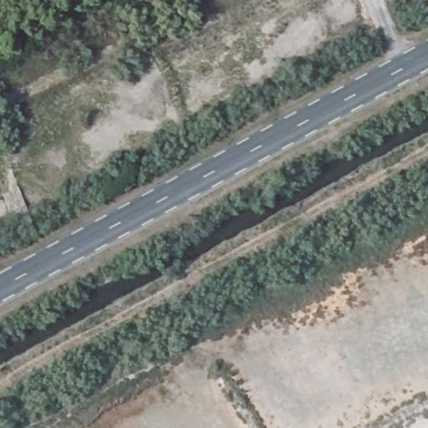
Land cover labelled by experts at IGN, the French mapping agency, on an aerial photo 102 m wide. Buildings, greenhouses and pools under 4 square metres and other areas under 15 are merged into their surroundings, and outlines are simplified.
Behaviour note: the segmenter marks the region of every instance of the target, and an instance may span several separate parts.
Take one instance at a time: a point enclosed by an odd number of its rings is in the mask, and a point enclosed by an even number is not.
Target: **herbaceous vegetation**
[[[134,191],[117,197],[109,206],[105,204],[90,212],[77,211],[77,219],[53,231],[50,236],[38,239],[33,246],[23,247],[10,256],[0,257],[0,274],[7,273],[17,262],[27,261],[38,251],[59,244],[64,237],[77,234],[90,222],[100,221],[109,212],[129,206],[135,197],[147,196],[155,187],[176,181],[181,174],[194,171],[207,159],[224,154],[232,145],[246,142],[256,132],[271,129],[274,122],[288,119],[301,107],[316,104],[323,95],[338,92],[351,80],[363,79],[369,70],[378,69],[383,65],[378,59],[361,65],[361,69],[356,72],[336,75],[333,82],[326,87],[267,110],[254,122],[249,122],[244,129],[232,132],[224,142],[214,142],[207,149],[199,149],[196,155],[191,155],[186,166],[174,169],[166,176],[155,177],[149,186],[137,187]]]
[[[57,40],[43,35],[42,40],[27,37],[25,47],[18,57],[10,55],[10,59],[0,59],[0,70],[7,72],[7,77],[15,85],[15,89],[20,90],[28,85],[35,82],[38,77],[52,74],[55,69],[65,70],[65,80],[48,87],[40,94],[30,95],[28,105],[32,109],[32,117],[27,145],[18,154],[12,154],[20,142],[7,145],[0,135],[0,201],[3,201],[3,192],[7,192],[8,189],[7,171],[10,169],[20,189],[25,189],[30,202],[40,202],[42,199],[53,201],[59,197],[59,187],[64,184],[67,177],[94,172],[87,164],[90,147],[82,140],[82,134],[95,124],[95,120],[105,119],[110,114],[110,102],[117,102],[114,87],[120,80],[112,70],[104,70],[100,62],[84,67],[67,62],[69,53],[74,52],[75,48],[72,40],[79,40],[72,27],[64,27]],[[47,164],[45,152],[50,149],[65,149],[64,167]]]
[[[130,304],[157,293],[159,289],[166,288],[167,284],[174,281],[171,276],[160,276],[134,289],[132,293],[115,299],[114,303],[105,306],[104,309],[99,309],[77,323],[70,324],[69,328],[62,329],[59,333],[53,334],[52,338],[35,344],[25,353],[17,354],[12,359],[0,363],[0,378],[10,369],[18,368],[28,359],[37,358],[38,354],[57,346],[74,334],[84,333],[95,324],[102,323],[104,319],[112,318]]]
[[[167,38],[167,42],[152,50],[152,69],[159,69],[160,74],[166,77],[172,107],[176,107],[181,120],[189,117],[192,112],[187,107],[189,82],[202,80],[204,75],[212,72],[212,60],[216,59],[217,53],[227,52],[226,60],[219,64],[219,69],[224,70],[226,75],[221,85],[221,94],[214,95],[211,102],[217,104],[221,100],[231,99],[236,85],[252,84],[244,65],[251,64],[252,60],[266,64],[264,50],[274,45],[276,38],[288,30],[296,18],[306,20],[309,13],[313,12],[319,20],[326,23],[326,40],[348,37],[349,33],[356,30],[356,25],[364,23],[361,0],[349,0],[354,7],[354,20],[341,23],[336,18],[329,17],[328,10],[324,8],[328,0],[199,0],[197,13],[201,15],[202,22],[206,22],[204,33],[189,32],[186,37],[176,37],[172,40]]]
[[[418,135],[406,144],[398,145],[371,162],[366,162],[358,171],[349,172],[339,181],[331,182],[318,192],[314,192],[313,196],[306,197],[294,206],[284,207],[273,216],[267,217],[266,221],[239,232],[237,236],[222,241],[212,249],[217,256],[227,254],[234,247],[247,242],[249,237],[271,229],[278,222],[283,222],[279,236],[284,237],[284,241],[294,244],[296,236],[303,234],[306,224],[299,219],[299,214],[308,207],[318,204],[344,187],[364,181],[366,177],[385,169],[386,166],[393,166],[408,152],[428,142],[428,132]]]
[[[323,150],[326,142],[338,140],[339,135],[359,122],[386,112],[396,102],[428,87],[428,69],[421,70],[413,79],[403,80],[395,89],[381,92],[368,104],[354,107],[349,114],[334,117],[329,120],[328,125],[311,130],[303,139],[283,145],[278,152],[257,160],[256,166],[241,169],[227,181],[212,184],[211,189],[194,194],[181,206],[171,207],[162,216],[142,222],[142,226],[134,231],[120,234],[110,244],[95,247],[95,251],[87,256],[77,257],[69,266],[55,269],[42,281],[28,284],[20,293],[10,294],[0,301],[0,319],[20,308],[22,304],[37,299],[40,294],[55,291],[60,284],[74,283],[77,278],[95,273],[97,267],[107,264],[115,254],[124,251],[125,247],[137,246],[139,242],[147,241],[152,234],[166,232],[167,229],[179,226],[181,222],[186,221],[189,214],[199,214],[206,207],[216,206],[222,197],[251,184],[261,172],[279,169],[284,162],[291,162],[301,154],[314,154]]]

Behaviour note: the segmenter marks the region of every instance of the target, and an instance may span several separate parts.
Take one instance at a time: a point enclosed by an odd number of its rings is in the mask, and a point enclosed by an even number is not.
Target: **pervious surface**
[[[117,102],[110,102],[110,114],[105,119],[95,120],[95,124],[82,134],[82,140],[90,147],[87,164],[94,172],[99,171],[104,160],[112,152],[124,149],[129,142],[127,135],[134,132],[155,132],[160,129],[162,122],[181,120],[176,107],[172,107],[166,77],[160,74],[159,69],[152,69],[137,84],[120,80],[114,87]]]
[[[378,28],[376,33],[380,35],[381,45],[386,52],[378,59],[383,65],[390,64],[400,53],[411,52],[415,45],[411,40],[406,40],[405,35],[396,32],[385,0],[361,0],[364,23]]]
[[[65,70],[55,69],[52,74],[38,77],[35,82],[28,85],[30,95],[40,94],[48,87],[65,80]]]
[[[262,249],[267,242],[278,239],[279,236],[283,222],[278,222],[271,229],[249,237],[247,242],[234,247],[227,254],[217,256],[212,249],[189,266],[186,278],[174,281],[167,284],[166,288],[159,289],[157,293],[130,304],[112,318],[104,319],[102,323],[95,324],[84,333],[74,334],[57,346],[38,354],[37,358],[28,359],[18,368],[10,369],[0,378],[0,395],[5,393],[8,386],[17,383],[22,376],[32,374],[33,369],[42,368],[43,364],[52,364],[53,359],[64,356],[65,351],[89,343],[99,334],[114,331],[115,326],[127,323],[135,314],[145,318],[145,311],[150,306],[166,303],[172,294],[187,293],[192,284],[199,283],[206,274],[216,273],[237,257]]]
[[[324,8],[328,10],[329,17],[336,18],[341,23],[354,20],[354,7],[349,0],[328,0]]]
[[[378,186],[380,182],[391,179],[396,172],[418,166],[421,160],[428,157],[428,142],[408,152],[393,166],[386,166],[385,169],[366,177],[364,181],[344,187],[318,204],[308,207],[299,214],[299,219],[306,224],[329,209],[334,209],[338,204],[344,206],[349,199],[356,197],[358,192],[366,192],[371,187]]]
[[[50,149],[45,152],[47,164],[64,167],[65,149]]]
[[[288,30],[276,38],[274,45],[264,50],[266,64],[252,60],[251,64],[244,65],[252,84],[271,77],[283,57],[303,57],[313,53],[326,40],[326,23],[319,20],[313,12],[309,13],[306,20],[296,18]]]
[[[3,192],[3,201],[0,201],[0,217],[5,216],[7,212],[27,211],[20,189],[10,169],[7,171],[8,189],[7,192]]]
[[[247,428],[246,423],[237,418],[231,401],[222,393],[226,381],[222,380],[221,374],[217,371],[217,359],[224,359],[226,363],[232,364],[232,368],[239,369],[244,380],[242,388],[246,390],[247,396],[251,398],[252,405],[256,406],[267,428],[353,428],[373,423],[378,416],[391,411],[393,406],[400,405],[401,401],[410,400],[411,396],[421,391],[428,391],[428,252],[425,256],[415,256],[413,247],[426,239],[425,236],[418,236],[405,242],[403,249],[398,252],[398,261],[390,259],[391,267],[358,267],[353,273],[344,273],[343,283],[338,288],[333,288],[331,296],[324,301],[314,301],[301,311],[293,313],[294,323],[289,324],[288,334],[284,334],[283,329],[274,328],[271,323],[264,324],[261,329],[252,324],[249,334],[236,329],[232,336],[224,336],[217,341],[207,339],[192,346],[191,351],[184,354],[182,363],[174,368],[174,381],[167,383],[164,380],[164,388],[169,390],[167,395],[160,396],[159,391],[154,388],[144,391],[132,400],[137,408],[144,410],[144,413],[124,420],[114,428]],[[331,326],[318,324],[316,309],[321,304],[329,311],[341,309],[343,318]]]
[[[221,85],[226,75],[224,70],[219,69],[219,64],[226,60],[227,52],[217,53],[216,59],[212,60],[212,72],[204,75],[202,80],[189,82],[187,107],[192,112],[201,109],[202,104],[211,102],[214,95],[221,94]]]

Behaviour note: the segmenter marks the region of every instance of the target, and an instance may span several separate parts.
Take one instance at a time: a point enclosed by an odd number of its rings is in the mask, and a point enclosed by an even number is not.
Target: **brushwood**
[[[232,364],[226,363],[224,359],[217,359],[217,371],[221,374],[222,380],[226,381],[222,393],[231,401],[237,418],[246,423],[247,428],[267,428],[256,406],[252,405],[251,398],[247,396],[246,390],[242,388],[244,380],[239,369],[232,368]]]
[[[428,42],[428,0],[385,0],[396,32],[405,35],[406,40],[411,40],[415,45]]]
[[[371,187],[366,192],[358,192],[356,197],[349,199],[344,206],[338,204],[334,209],[329,209],[306,224],[303,234],[296,236],[294,244],[284,241],[284,237],[279,236],[278,239],[267,242],[262,249],[237,257],[216,273],[206,274],[199,283],[192,284],[187,293],[172,294],[166,303],[150,306],[145,311],[145,318],[135,314],[127,323],[115,326],[114,331],[99,334],[89,343],[65,351],[64,356],[53,359],[52,364],[43,364],[42,368],[33,369],[32,374],[22,376],[17,383],[8,386],[5,393],[0,395],[0,428],[114,428],[124,420],[144,413],[144,410],[137,408],[132,400],[144,391],[154,388],[159,391],[160,396],[167,395],[169,390],[164,388],[164,380],[167,383],[174,381],[174,368],[182,363],[184,354],[191,351],[192,346],[207,339],[217,341],[224,336],[232,336],[236,329],[249,334],[252,324],[261,329],[264,324],[271,323],[274,328],[283,329],[284,334],[288,334],[289,324],[294,323],[293,313],[301,311],[314,301],[324,301],[331,296],[333,288],[338,288],[343,283],[344,273],[353,273],[358,267],[391,267],[390,259],[398,261],[398,252],[403,249],[405,242],[418,236],[425,236],[426,239],[413,247],[415,256],[425,256],[428,252],[428,157],[421,160],[418,166],[396,172],[391,179],[380,182],[378,186]]]
[[[391,130],[406,129],[410,127],[411,122],[418,124],[428,117],[428,87],[396,102],[386,112],[359,122],[339,135],[338,140],[326,142],[323,150],[314,154],[301,154],[291,162],[284,162],[279,169],[261,172],[251,184],[222,197],[216,206],[206,207],[199,214],[189,214],[186,221],[181,222],[179,226],[167,229],[166,232],[152,234],[147,241],[139,242],[137,246],[125,247],[124,251],[115,254],[107,264],[97,267],[95,273],[77,278],[74,283],[60,284],[55,291],[40,294],[37,299],[22,304],[20,308],[0,319],[0,348],[7,346],[8,336],[23,336],[25,328],[43,329],[47,324],[53,323],[62,313],[64,303],[69,304],[70,308],[80,308],[82,301],[89,298],[89,291],[92,288],[99,288],[117,279],[125,279],[129,273],[149,273],[150,267],[157,267],[160,276],[171,276],[174,281],[186,278],[189,266],[187,262],[181,262],[184,247],[187,244],[197,244],[201,237],[206,237],[224,214],[234,216],[239,209],[257,212],[262,206],[271,207],[276,194],[291,196],[298,187],[306,186],[308,182],[313,181],[314,177],[318,176],[316,164],[319,160],[339,157],[351,159],[351,155],[363,154],[364,150],[371,149],[373,144],[381,144],[383,137],[390,134]]]
[[[353,428],[428,428],[428,391],[421,391],[411,396],[410,400],[401,401],[400,405],[393,406],[391,411],[378,416],[373,423]]]
[[[181,120],[162,122],[160,129],[155,132],[134,132],[127,135],[129,142],[124,149],[112,152],[104,160],[99,171],[94,172],[67,177],[64,184],[59,187],[59,197],[53,201],[42,199],[40,202],[30,202],[25,189],[20,189],[27,211],[7,212],[5,216],[0,217],[0,257],[10,256],[23,247],[33,246],[38,239],[50,236],[53,231],[77,219],[77,211],[90,212],[105,204],[109,206],[117,197],[134,191],[137,187],[149,186],[155,177],[166,176],[174,169],[186,166],[191,155],[196,155],[199,149],[207,149],[214,142],[224,142],[232,132],[244,129],[249,122],[254,122],[267,110],[326,87],[333,82],[336,75],[356,72],[361,69],[361,65],[378,59],[386,52],[381,45],[380,35],[376,33],[378,28],[364,23],[356,25],[356,30],[349,33],[348,37],[326,40],[313,53],[303,57],[283,57],[271,77],[252,84],[236,85],[231,99],[221,100],[217,104],[211,102],[202,104],[201,109],[192,112],[189,117]]]
[[[341,309],[329,311],[321,304],[316,309],[318,324],[331,326],[343,318]]]

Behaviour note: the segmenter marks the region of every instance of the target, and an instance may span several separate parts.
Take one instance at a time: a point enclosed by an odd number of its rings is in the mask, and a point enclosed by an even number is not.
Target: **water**
[[[92,288],[89,291],[89,298],[82,301],[80,308],[70,308],[69,304],[64,303],[62,313],[53,323],[47,324],[43,329],[25,328],[23,336],[8,336],[7,346],[0,348],[0,363],[12,359],[17,354],[25,353],[35,344],[52,338],[53,334],[59,333],[62,329],[69,328],[70,324],[77,323],[99,309],[104,309],[105,306],[114,303],[115,299],[132,293],[134,289],[160,276],[157,267],[150,267],[149,273],[129,273],[125,279],[117,279],[99,288]]]
[[[237,236],[239,232],[266,221],[267,217],[273,216],[284,207],[294,206],[306,197],[313,196],[314,192],[318,192],[331,182],[339,181],[349,172],[358,171],[366,162],[371,162],[398,145],[406,144],[418,135],[428,132],[428,117],[418,124],[411,122],[410,127],[406,129],[391,130],[390,134],[383,137],[381,144],[373,144],[371,149],[364,150],[363,154],[351,155],[351,159],[339,157],[319,160],[316,164],[318,176],[314,177],[313,181],[308,182],[306,186],[298,187],[291,196],[276,194],[271,207],[262,206],[257,212],[239,209],[234,216],[224,214],[206,237],[201,237],[197,244],[187,244],[184,247],[181,262],[187,262],[189,266],[212,249],[222,241]]]

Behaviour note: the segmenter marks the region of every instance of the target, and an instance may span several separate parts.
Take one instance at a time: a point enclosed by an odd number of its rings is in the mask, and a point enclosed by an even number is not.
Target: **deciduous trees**
[[[79,40],[72,40],[75,48],[74,52],[69,53],[67,62],[84,67],[100,62],[104,70],[112,70],[120,80],[137,84],[152,69],[152,50],[167,42],[167,38],[172,40],[176,37],[186,37],[189,32],[204,33],[206,22],[202,22],[201,15],[197,13],[199,0],[0,0],[0,59],[10,59],[10,55],[18,57],[25,47],[27,37],[42,40],[43,35],[57,40],[64,27],[72,27]]]
[[[32,109],[28,105],[30,95],[28,85],[20,90],[15,89],[15,85],[7,77],[7,72],[0,70],[0,135],[7,145],[20,142],[12,154],[18,154],[27,145],[32,117]]]

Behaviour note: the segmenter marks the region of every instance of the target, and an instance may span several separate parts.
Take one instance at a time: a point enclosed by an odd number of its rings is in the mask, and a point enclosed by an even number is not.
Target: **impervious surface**
[[[10,294],[20,293],[28,284],[42,281],[55,269],[69,266],[77,257],[87,256],[95,251],[95,247],[110,244],[120,234],[134,231],[142,226],[142,222],[162,216],[171,207],[181,206],[194,194],[211,189],[212,184],[227,181],[241,169],[256,166],[257,160],[278,152],[283,145],[303,139],[311,130],[328,125],[329,120],[334,117],[349,114],[354,107],[368,104],[381,92],[395,89],[403,80],[413,79],[421,70],[428,69],[428,42],[415,45],[411,52],[400,53],[390,64],[383,65],[378,69],[369,70],[363,79],[351,80],[338,92],[323,95],[316,104],[301,107],[288,119],[274,122],[271,129],[256,132],[246,142],[232,145],[224,154],[207,159],[194,171],[181,174],[176,181],[155,187],[147,196],[135,197],[129,206],[109,212],[100,221],[90,222],[77,234],[64,237],[59,244],[38,251],[27,261],[17,262],[7,273],[0,274],[0,301]]]

